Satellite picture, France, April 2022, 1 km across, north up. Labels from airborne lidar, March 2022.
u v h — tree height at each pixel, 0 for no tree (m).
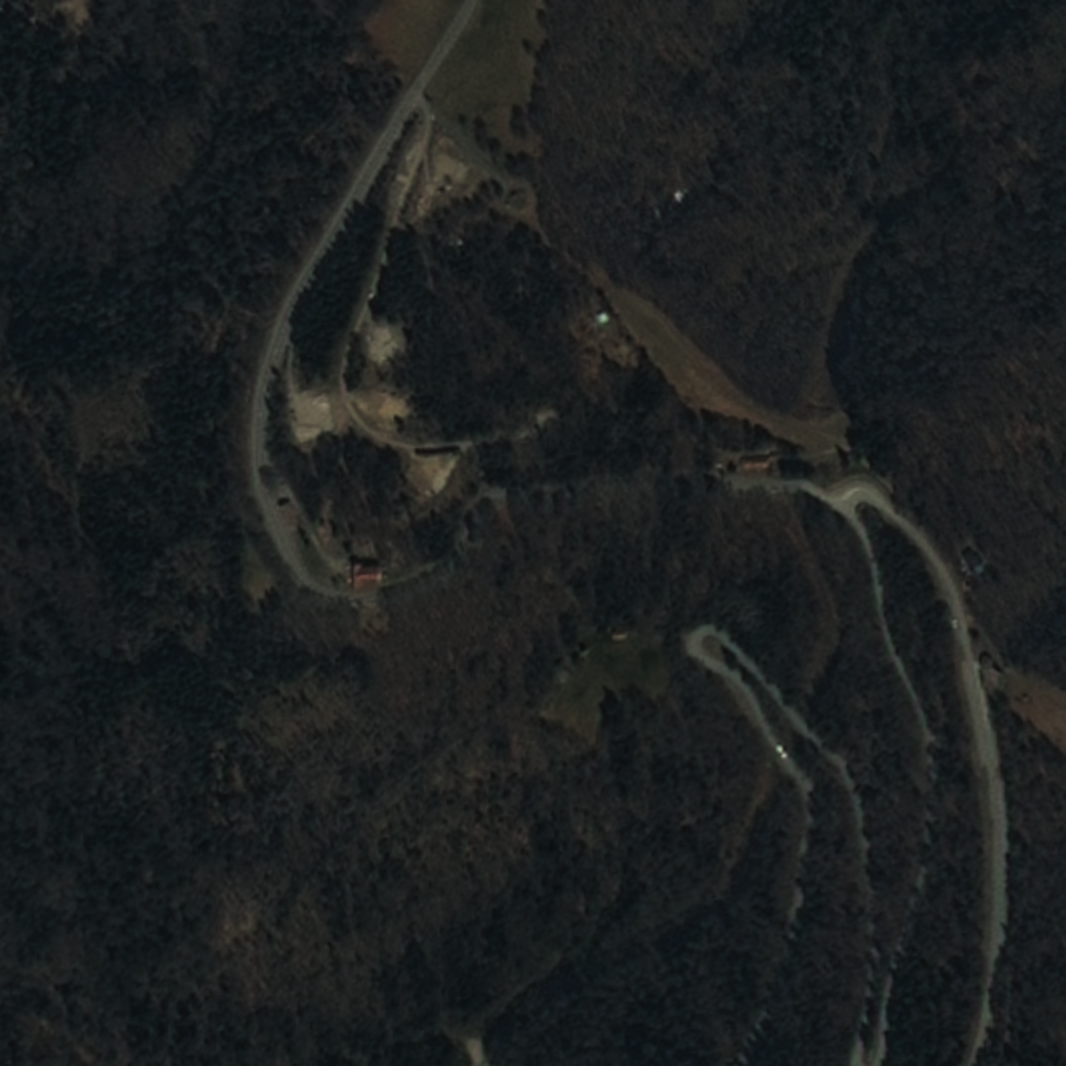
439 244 16
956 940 23
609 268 10
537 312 12
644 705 28
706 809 26
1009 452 31
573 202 15
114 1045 26
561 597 24
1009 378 23
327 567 0
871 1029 10
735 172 16
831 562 17
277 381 14
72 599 23
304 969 28
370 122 15
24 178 11
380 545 10
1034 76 30
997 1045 17
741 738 26
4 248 21
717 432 17
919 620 14
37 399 14
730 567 20
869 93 21
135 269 15
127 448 14
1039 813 17
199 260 27
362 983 25
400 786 26
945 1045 19
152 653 7
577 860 28
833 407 0
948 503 17
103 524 6
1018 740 13
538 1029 26
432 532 17
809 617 21
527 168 12
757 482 0
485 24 0
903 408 16
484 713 26
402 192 0
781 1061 17
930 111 22
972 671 0
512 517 20
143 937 31
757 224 20
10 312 20
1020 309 23
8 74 17
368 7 17
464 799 26
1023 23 18
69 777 27
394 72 16
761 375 23
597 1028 23
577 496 21
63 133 18
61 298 28
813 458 0
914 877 20
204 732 19
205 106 15
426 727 32
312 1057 23
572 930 25
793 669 19
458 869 29
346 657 27
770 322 26
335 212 12
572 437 19
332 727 0
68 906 23
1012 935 8
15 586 25
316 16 18
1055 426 27
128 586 23
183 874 8
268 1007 30
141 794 21
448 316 15
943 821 20
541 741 24
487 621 21
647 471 17
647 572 19
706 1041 22
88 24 7
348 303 16
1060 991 15
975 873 19
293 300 0
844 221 25
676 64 29
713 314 17
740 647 11
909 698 15
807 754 22
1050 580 28
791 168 22
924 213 24
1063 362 26
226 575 16
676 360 0
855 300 18
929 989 13
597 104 22
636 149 16
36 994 26
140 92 20
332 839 27
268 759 23
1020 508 30
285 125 17
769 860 24
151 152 23
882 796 21
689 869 24
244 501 18
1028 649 18
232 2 19
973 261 25
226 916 23
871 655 21
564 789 24
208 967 22
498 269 12
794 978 21
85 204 21
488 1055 12
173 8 23
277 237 6
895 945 20
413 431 7
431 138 0
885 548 18
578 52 12
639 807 27
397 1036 25
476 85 0
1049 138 33
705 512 23
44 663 19
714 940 23
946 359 25
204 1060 23
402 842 30
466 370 17
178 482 17
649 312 0
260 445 0
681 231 24
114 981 26
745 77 17
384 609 21
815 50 20
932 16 29
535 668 26
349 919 33
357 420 0
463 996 33
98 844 30
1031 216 32
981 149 27
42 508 22
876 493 0
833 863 22
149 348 18
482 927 31
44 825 25
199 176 14
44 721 25
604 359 8
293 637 22
